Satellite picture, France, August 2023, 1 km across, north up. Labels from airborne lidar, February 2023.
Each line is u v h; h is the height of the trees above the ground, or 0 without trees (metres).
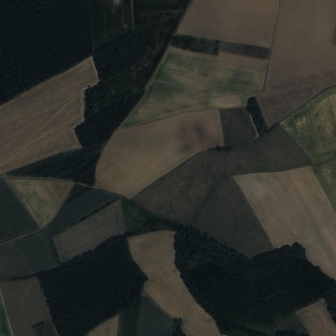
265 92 0
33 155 0
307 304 18
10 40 26
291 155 0
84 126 16
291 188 0
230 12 0
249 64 0
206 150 0
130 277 24
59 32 19
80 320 22
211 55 0
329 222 0
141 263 0
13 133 0
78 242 0
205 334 0
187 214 0
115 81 0
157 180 0
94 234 0
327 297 21
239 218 0
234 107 0
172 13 0
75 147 0
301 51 0
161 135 0
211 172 0
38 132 0
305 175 0
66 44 23
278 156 0
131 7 0
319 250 0
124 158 0
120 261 23
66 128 0
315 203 0
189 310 0
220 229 0
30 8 18
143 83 0
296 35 0
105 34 0
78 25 19
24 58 20
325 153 0
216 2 0
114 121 10
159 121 0
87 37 17
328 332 0
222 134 0
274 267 19
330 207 0
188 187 0
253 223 0
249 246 0
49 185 0
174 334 16
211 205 0
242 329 16
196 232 20
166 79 0
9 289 0
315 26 0
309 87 0
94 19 0
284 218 0
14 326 0
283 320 0
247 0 0
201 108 0
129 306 20
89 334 0
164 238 0
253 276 17
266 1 0
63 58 21
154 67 0
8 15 26
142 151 0
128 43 18
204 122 0
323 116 0
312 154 0
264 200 0
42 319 0
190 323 0
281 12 0
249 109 18
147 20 0
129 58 24
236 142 0
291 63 0
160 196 0
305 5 0
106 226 0
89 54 15
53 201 0
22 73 21
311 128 0
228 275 20
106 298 20
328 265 0
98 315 16
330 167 0
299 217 0
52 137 0
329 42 0
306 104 0
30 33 24
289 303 14
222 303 17
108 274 23
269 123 0
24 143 0
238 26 0
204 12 0
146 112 0
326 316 0
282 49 0
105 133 12
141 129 0
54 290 18
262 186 0
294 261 9
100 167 0
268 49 0
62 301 19
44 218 0
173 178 0
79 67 0
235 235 0
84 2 17
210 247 23
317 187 0
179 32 0
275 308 20
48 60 24
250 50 0
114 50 16
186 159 0
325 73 0
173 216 0
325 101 0
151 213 0
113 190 0
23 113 0
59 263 7
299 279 9
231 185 0
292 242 0
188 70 0
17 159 0
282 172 0
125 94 0
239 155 0
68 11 22
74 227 0
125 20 0
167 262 0
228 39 0
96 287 21
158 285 0
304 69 0
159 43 0
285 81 0
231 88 0
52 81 0
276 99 0
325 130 0
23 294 0
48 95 0
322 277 8
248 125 0
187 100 0
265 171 0
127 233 7
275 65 0
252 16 0
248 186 0
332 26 0
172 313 0
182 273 19
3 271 0
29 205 0
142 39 0
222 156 0
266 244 0
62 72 16
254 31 0
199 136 0
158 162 0
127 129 0
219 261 23
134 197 0
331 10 0
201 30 0
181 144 0
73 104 0
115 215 0
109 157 0
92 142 15
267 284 18
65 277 18
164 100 0
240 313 20
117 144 0
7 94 17
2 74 23
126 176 0
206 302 24
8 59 19
